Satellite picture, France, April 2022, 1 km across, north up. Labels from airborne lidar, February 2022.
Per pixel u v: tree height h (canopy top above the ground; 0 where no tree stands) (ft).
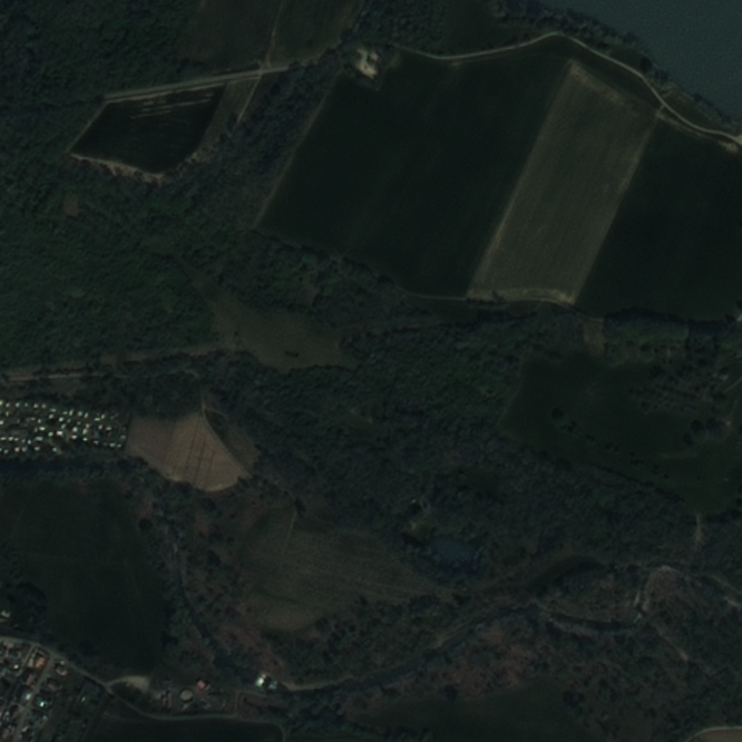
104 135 0
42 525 0
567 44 0
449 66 0
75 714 33
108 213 53
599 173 0
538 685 0
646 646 61
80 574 0
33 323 23
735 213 0
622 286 0
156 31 61
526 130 0
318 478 76
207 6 0
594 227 0
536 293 0
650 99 0
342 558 0
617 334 70
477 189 0
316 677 41
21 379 0
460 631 0
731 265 0
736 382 0
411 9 58
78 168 61
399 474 89
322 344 0
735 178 0
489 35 0
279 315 0
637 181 0
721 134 0
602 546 96
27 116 58
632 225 0
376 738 23
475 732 0
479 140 0
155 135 0
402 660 42
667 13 0
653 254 0
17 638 0
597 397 0
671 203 0
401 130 0
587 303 0
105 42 79
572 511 86
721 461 0
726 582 23
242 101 0
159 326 42
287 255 60
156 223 54
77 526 0
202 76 32
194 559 24
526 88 0
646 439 0
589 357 0
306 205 0
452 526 73
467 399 28
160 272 59
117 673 0
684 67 0
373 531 81
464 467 0
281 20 0
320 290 47
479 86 0
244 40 0
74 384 0
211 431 0
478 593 0
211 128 0
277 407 55
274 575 0
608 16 0
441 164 0
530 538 72
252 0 0
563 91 0
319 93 66
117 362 0
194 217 57
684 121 0
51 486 0
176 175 0
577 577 54
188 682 0
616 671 47
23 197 33
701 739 0
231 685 30
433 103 0
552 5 0
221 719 0
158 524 39
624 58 0
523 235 0
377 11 80
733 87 0
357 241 0
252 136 70
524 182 0
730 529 81
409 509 41
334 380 30
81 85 83
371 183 0
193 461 0
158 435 0
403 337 29
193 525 47
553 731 0
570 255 0
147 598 0
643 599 0
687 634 79
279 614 0
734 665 71
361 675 38
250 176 74
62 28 76
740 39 0
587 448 0
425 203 0
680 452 0
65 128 73
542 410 0
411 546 84
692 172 0
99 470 49
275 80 0
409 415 68
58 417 18
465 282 0
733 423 0
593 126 0
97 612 0
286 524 0
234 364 28
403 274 0
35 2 82
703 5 0
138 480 38
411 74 0
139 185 69
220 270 57
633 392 32
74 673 0
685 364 17
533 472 73
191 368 25
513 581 47
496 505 49
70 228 25
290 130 76
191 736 0
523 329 57
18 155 48
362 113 0
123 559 0
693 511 0
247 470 0
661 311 0
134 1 64
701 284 0
